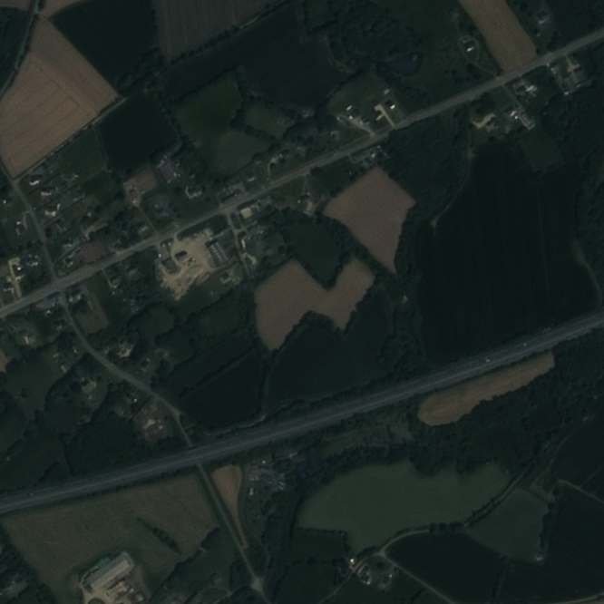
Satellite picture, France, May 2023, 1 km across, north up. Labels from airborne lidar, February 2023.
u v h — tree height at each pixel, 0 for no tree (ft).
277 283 0
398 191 0
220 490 0
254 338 32
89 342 41
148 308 29
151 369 0
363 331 0
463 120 30
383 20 52
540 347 0
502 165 0
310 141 52
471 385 0
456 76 46
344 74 0
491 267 0
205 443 0
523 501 0
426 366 18
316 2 0
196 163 62
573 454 0
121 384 24
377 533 0
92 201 0
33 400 0
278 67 0
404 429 96
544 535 45
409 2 0
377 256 0
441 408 0
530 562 0
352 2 20
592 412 0
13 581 0
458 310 0
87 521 0
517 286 0
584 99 46
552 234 0
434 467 39
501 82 0
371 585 0
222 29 0
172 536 0
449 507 0
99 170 0
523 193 0
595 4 23
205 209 0
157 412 0
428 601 0
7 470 0
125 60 0
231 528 0
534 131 0
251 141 0
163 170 0
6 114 0
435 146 28
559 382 45
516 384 0
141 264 22
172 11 0
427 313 0
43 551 0
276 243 0
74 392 43
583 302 0
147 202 0
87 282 0
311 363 0
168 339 54
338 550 0
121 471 0
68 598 0
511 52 0
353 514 0
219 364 0
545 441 45
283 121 0
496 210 0
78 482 0
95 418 55
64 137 0
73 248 0
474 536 0
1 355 0
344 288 0
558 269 0
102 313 0
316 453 103
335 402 50
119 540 0
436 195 35
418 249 0
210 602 0
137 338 41
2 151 0
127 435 46
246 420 18
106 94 0
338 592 24
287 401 0
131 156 0
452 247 0
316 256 0
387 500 0
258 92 0
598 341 39
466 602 0
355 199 0
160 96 38
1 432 0
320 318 37
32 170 0
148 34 0
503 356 0
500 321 0
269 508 64
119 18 0
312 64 0
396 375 50
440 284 0
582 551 0
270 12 23
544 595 0
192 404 0
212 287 0
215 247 0
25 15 21
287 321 0
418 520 0
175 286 0
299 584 0
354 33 39
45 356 0
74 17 0
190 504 0
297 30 0
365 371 0
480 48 0
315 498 0
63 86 0
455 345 0
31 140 0
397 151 27
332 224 47
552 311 0
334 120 40
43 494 0
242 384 0
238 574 55
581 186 40
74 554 0
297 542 0
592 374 58
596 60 32
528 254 0
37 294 0
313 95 0
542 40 0
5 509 0
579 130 44
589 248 57
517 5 33
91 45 0
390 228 0
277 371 0
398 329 36
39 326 0
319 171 58
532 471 38
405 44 61
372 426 98
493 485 0
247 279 27
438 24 0
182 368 39
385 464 38
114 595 0
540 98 0
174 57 0
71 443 51
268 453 27
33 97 0
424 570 0
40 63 0
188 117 0
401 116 0
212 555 0
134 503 0
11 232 0
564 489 0
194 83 0
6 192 35
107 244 0
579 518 0
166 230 0
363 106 0
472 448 21
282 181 0
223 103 0
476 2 0
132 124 0
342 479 0
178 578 53
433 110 0
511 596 0
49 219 0
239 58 0
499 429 0
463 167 26
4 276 0
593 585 0
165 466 0
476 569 0
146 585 0
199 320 36
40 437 0
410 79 0
